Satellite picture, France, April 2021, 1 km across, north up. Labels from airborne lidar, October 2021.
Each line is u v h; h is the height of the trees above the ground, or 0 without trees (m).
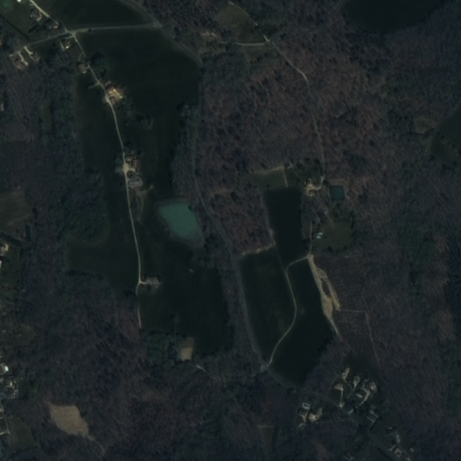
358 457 13
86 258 0
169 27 15
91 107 0
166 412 8
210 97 15
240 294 15
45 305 19
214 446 17
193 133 23
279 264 0
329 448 17
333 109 18
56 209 15
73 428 0
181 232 0
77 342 15
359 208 18
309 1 9
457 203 18
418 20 0
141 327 0
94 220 25
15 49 21
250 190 16
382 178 20
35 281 16
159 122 0
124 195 0
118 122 0
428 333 23
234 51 19
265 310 0
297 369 0
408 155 19
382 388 14
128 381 13
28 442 0
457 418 19
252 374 18
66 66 20
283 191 0
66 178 23
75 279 20
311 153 15
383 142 18
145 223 0
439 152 0
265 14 22
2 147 13
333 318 0
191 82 0
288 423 18
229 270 18
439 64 24
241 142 19
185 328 0
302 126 17
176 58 0
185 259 0
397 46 18
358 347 0
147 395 17
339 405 0
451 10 22
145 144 0
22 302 14
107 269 0
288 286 0
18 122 25
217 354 15
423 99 19
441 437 9
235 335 23
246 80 17
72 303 19
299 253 0
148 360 19
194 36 19
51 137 20
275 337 0
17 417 9
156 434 7
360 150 16
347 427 18
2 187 8
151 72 0
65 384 22
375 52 12
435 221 23
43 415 15
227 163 20
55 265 22
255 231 11
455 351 21
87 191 10
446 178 22
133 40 0
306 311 0
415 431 16
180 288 0
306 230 12
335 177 17
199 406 15
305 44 11
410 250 24
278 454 17
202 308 0
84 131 0
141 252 0
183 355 0
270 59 18
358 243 17
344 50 13
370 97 12
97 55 0
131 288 0
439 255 21
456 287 17
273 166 16
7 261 7
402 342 17
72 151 24
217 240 16
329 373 19
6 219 0
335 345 11
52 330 22
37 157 11
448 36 20
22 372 15
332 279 0
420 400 18
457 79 26
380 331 16
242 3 19
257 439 20
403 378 19
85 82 0
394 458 0
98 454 20
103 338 13
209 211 17
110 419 16
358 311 0
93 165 0
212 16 21
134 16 0
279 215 0
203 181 19
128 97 7
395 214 21
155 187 0
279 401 12
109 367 15
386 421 0
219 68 19
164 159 0
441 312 23
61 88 25
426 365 16
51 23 12
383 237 21
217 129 11
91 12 0
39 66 8
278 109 18
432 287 17
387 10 0
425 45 22
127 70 0
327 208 17
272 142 12
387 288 18
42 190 15
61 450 23
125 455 8
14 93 23
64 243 20
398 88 7
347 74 9
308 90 18
